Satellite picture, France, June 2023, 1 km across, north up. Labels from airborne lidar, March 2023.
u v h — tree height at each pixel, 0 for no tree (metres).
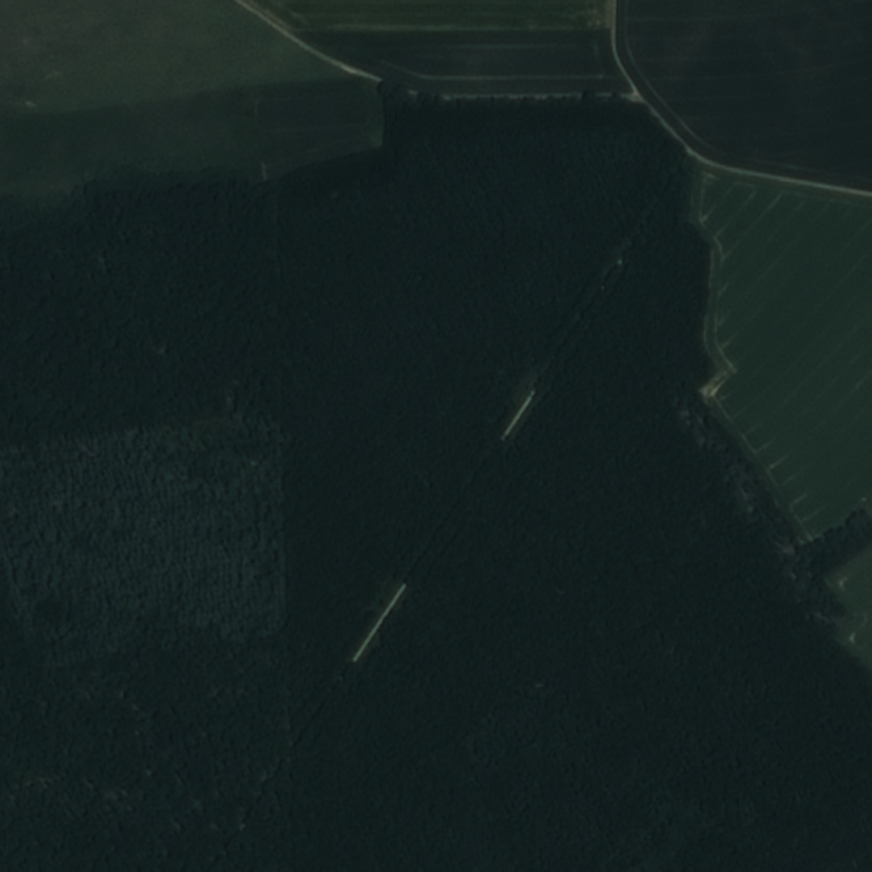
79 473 21
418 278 15
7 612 21
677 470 16
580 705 18
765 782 16
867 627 0
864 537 17
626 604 15
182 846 22
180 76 0
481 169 16
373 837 15
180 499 18
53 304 22
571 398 13
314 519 14
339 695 14
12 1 0
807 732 17
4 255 20
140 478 23
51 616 18
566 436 13
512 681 16
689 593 16
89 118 0
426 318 15
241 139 0
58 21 0
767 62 0
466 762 15
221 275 20
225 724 19
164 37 0
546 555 15
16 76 0
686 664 15
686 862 15
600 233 15
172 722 23
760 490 20
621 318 17
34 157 0
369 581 15
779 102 0
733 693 13
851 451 0
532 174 14
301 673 16
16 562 20
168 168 0
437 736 16
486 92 0
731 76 0
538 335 13
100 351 21
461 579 11
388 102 12
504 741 15
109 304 20
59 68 0
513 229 17
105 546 25
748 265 0
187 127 0
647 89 0
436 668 15
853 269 0
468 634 15
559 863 17
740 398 0
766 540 23
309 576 15
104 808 25
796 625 18
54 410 22
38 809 23
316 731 14
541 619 16
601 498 15
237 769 24
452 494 16
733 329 0
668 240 18
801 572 17
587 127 10
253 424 17
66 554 23
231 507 13
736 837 15
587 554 16
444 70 0
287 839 19
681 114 0
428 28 0
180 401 19
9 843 20
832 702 15
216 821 22
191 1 0
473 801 15
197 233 24
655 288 19
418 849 14
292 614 16
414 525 15
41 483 21
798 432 0
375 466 16
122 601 15
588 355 12
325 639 13
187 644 17
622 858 17
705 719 16
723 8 0
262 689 19
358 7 0
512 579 16
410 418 15
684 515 16
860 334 0
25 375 22
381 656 14
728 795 17
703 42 0
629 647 15
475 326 13
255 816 22
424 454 13
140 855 23
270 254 21
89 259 21
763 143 0
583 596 15
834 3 0
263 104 0
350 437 17
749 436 0
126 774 25
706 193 0
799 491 0
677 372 21
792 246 0
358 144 0
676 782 18
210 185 7
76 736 19
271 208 22
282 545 17
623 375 14
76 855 24
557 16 0
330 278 13
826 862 11
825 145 0
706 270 19
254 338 22
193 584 19
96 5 0
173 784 21
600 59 0
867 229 0
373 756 14
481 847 17
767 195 0
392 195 14
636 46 0
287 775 18
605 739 18
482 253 16
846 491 0
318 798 15
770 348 0
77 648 19
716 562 15
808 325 0
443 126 6
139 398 19
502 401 14
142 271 19
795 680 19
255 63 0
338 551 15
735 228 0
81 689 21
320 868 13
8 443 20
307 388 16
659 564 17
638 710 17
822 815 17
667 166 18
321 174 9
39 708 18
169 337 21
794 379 0
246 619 12
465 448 14
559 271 12
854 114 0
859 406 0
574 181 16
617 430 15
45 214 6
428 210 13
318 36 0
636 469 16
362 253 13
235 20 0
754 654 16
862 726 17
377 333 14
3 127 0
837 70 0
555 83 0
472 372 15
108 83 0
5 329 22
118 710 20
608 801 19
